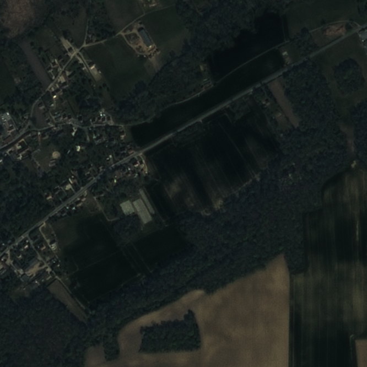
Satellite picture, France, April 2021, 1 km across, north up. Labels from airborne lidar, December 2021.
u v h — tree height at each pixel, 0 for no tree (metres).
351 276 0
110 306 14
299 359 0
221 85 0
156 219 6
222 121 0
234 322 0
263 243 25
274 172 30
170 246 0
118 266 0
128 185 15
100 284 0
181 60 6
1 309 25
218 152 0
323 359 0
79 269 0
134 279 0
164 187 0
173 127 0
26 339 28
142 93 27
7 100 11
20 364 30
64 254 0
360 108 17
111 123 0
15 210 27
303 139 24
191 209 0
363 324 0
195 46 29
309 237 0
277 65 0
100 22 12
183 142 0
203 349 0
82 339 20
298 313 0
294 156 28
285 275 0
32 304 23
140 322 0
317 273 0
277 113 0
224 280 23
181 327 19
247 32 0
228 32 38
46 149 0
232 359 0
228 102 0
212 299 0
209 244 29
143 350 12
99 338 11
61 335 32
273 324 0
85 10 0
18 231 12
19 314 27
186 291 11
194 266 18
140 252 0
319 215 0
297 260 19
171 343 20
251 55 0
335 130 11
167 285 19
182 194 0
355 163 0
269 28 0
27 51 0
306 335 0
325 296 0
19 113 11
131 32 0
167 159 0
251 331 0
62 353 17
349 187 0
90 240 0
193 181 0
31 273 0
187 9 21
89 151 15
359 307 0
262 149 0
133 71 0
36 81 6
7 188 26
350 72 23
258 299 0
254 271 17
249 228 24
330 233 0
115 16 0
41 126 0
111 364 0
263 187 6
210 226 26
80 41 0
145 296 29
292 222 24
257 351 0
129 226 14
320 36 0
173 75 11
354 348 0
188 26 19
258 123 0
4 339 24
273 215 24
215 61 0
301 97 16
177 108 0
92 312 16
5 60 12
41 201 12
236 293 0
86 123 7
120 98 0
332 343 0
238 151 0
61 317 32
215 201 0
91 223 0
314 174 26
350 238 0
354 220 0
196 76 8
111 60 0
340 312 0
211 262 17
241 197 26
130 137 0
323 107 23
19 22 0
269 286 0
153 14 0
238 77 0
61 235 0
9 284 10
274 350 0
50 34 0
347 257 0
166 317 0
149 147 0
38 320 28
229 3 29
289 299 0
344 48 0
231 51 0
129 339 0
